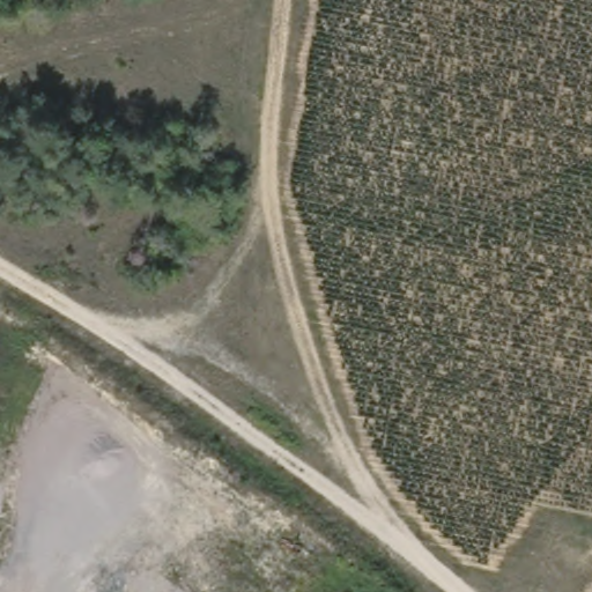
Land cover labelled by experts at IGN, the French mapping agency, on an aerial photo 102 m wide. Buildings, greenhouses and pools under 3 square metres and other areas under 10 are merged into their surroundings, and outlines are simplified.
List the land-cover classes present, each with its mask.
<instances>
[{"label":"vineyard","instance_id":"1","mask_svg":"<svg viewBox=\"0 0 592 592\"><path fill-rule=\"evenodd\" d=\"M319 12L308 56L305 113L301 118L298 146L291 167V197L296 199L298 215L305 224L308 245L315 257V271L326 298V315L338 326L335 342L342 354V363L347 368V377L356 395L358 414L363 416V426L368 430L375 453L382 458L384 467L398 481L405 497L412 500L416 509L426 513L432 527H437L446 539L463 548V553L476 557L479 562H488V553H493L506 539V534L516 527L525 509L532 513L541 509H553L571 516L592 518V0H317Z\"/></svg>","mask_w":592,"mask_h":592},{"label":"herbaceous vegetation","instance_id":"2","mask_svg":"<svg viewBox=\"0 0 592 592\"><path fill-rule=\"evenodd\" d=\"M275 0H23L16 16L0 19V127L5 130L12 123L16 109H25L28 123L35 130L56 132L60 139H69V157L79 162L83 157V153L79 150L81 139L109 143L127 130H146L180 123L201 127V132L194 136L201 148L236 146L259 167L261 106ZM291 21L278 136V197L287 250L291 257L312 340L326 382L331 386L335 407L342 416L349 439L354 442L356 453L361 456L365 472L370 474L379 493L386 497L389 506L398 513V518L423 543V548L430 550L444 567H449L476 592H592V518L571 516L553 509H541L532 513L525 509L516 527L506 534V539L493 553H488V562H479L476 557L463 553V548L446 539L437 527H432L426 513L416 509L412 500L405 497L398 481L384 467L382 458L375 453L368 430L363 426V416L358 414L356 395L347 377V368L342 363V354L335 342L338 326L326 315V298L315 271V257L308 245L305 224L298 215L296 199L291 197V167L298 146L301 118L305 113L308 56L319 12L317 0H289ZM143 220L141 213H127L125 208L118 210L111 206V201H99L93 215L76 208H60L58 217L44 215L42 220L30 217L28 222L0 224V257L95 312L132 319H155L173 312H187L194 305V301L204 298L208 284L217 278L220 268L229 266L241 236L231 245H220L215 250L206 245L201 250H185V254L178 261L180 273H176L180 280L162 294H148L139 291V287L130 278H123L118 273L123 250L130 247L132 231ZM183 335H178L176 349H164L150 340H146L143 345V349L171 363L187 379L204 386L208 393L220 398L227 407L243 416L252 405H259L264 398H268V402L280 414L291 419L296 428L303 432L298 442L289 449L319 474H324L328 481L340 486L352 500H358L361 493L347 476V472L342 467H335L333 458L326 453L333 439L312 398L301 354L294 342V333L287 319L280 284L273 268L268 234L257 236L254 247L241 264L236 278L222 289L220 305H215L213 312L197 326L180 328ZM35 345L49 349L51 354L62 358L76 377H83L88 382H102L106 391H111L118 400H125L127 409L132 414H139L155 430H160L167 444L183 446L199 458L213 456L220 460L213 479L222 481V486L213 490V497L227 500L234 506V525L229 530L215 527L213 532H201L185 546H180L173 555H167L164 574L176 587L185 592H444L439 585L421 576L412 564H407L402 557L393 555L389 546H384L375 534L356 525L338 506H333L324 495L312 490L294 474H289L259 449L250 446L243 437L231 432L210 414H206L192 400L178 395L157 375L143 370L123 352L106 345L102 338L93 335L76 321L62 317L49 305L35 301L21 289L0 280V481L7 474H14L19 467V458L12 453V446L16 444L19 428L23 426L28 407L42 386L44 368L25 358V354ZM16 516L9 504H2L0 511V567L14 548Z\"/></svg>","mask_w":592,"mask_h":592},{"label":"pervious surface","instance_id":"3","mask_svg":"<svg viewBox=\"0 0 592 592\"><path fill-rule=\"evenodd\" d=\"M291 21L289 0H275L261 106L259 167L252 183L254 204L241 236L229 266L220 268L217 278L208 284L204 298L194 301V305L187 312H173L155 319H132L95 312L0 257V280L21 289L35 301L49 305L62 317L76 321L93 335L102 338L106 345L123 352L143 370L157 375L178 395L192 400L206 414H210L231 432L243 437L250 446L259 449L289 474H294L312 490L324 495L333 506H338L356 525L375 534L384 546H389L393 555L402 557L407 564H412L421 576L439 585L444 592H476L449 567H444L430 550L423 548V543L398 518V513L389 506L386 497L379 493L370 474L365 472L361 456L356 453L354 442L349 439L342 416L335 407L331 386L326 382L312 340L291 257L287 250L278 197V136ZM268 234L273 268L280 284L287 319L294 333V342L301 354L312 398L333 439L326 453L333 458L335 467H342L347 472V476L361 493L358 500H352L340 486L328 481L324 474H319L289 449L273 442L266 432L257 430L243 416L227 407L220 398L208 393L204 386L187 379L171 363L143 349V345L146 340H150L164 349H176L178 335H183L180 328L197 326L213 312L215 305H220L222 289L236 278L241 264L254 247L257 236ZM25 358L44 368L42 386L28 407L23 426L19 428L16 444L12 446V453L19 458V467L14 474H7L0 481V511L2 504H9L16 516L14 548L0 567V592H185L176 587L164 574L167 555H173L180 546H185L201 532H213L215 527L229 530L234 525V506L227 500L213 497V490L222 486V481L213 479L220 460L213 456L199 458L183 446L167 444L160 430H155L139 414H132L127 409L125 400H118L111 391H106L102 382H88L83 377H76L62 358L51 354L49 349L35 345L25 354Z\"/></svg>","mask_w":592,"mask_h":592},{"label":"coniferous trees","instance_id":"4","mask_svg":"<svg viewBox=\"0 0 592 592\"><path fill-rule=\"evenodd\" d=\"M23 0H0V19L16 16ZM201 132V127L180 123L146 130H127L109 143L81 139L79 150L83 153V157L79 162L69 157V139H60L56 132L35 130L28 123L25 109H16L12 123L5 130L0 127V224L28 222L30 217L42 220L44 215L58 217L60 208H76L93 215L99 201H111V206L118 210L125 208L127 213H141L143 220L132 231L130 247L123 250L118 273L123 278H130L139 287V291L148 294H162L180 280L176 273H180L178 261L185 254V250H201L206 245L215 250L220 245H231L241 236L254 204L252 183L259 167L236 146L201 148L194 136Z\"/></svg>","mask_w":592,"mask_h":592},{"label":"brushwood","instance_id":"5","mask_svg":"<svg viewBox=\"0 0 592 592\"><path fill-rule=\"evenodd\" d=\"M243 416L257 430L266 432L273 442L289 449L298 442L303 432L296 428L291 419L280 414L268 402V398H264L259 405H252Z\"/></svg>","mask_w":592,"mask_h":592}]
</instances>
